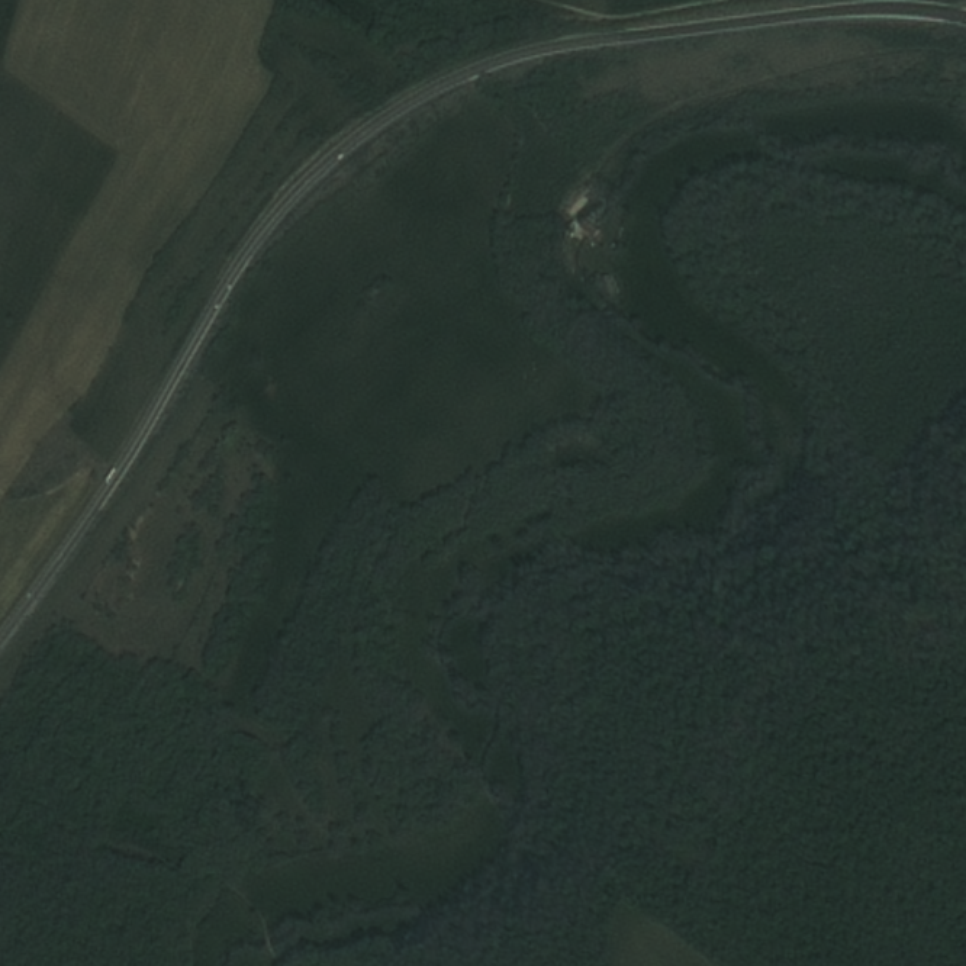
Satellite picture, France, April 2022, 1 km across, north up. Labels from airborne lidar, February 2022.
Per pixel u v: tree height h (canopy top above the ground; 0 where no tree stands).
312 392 0
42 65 0
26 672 6
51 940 19
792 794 15
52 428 0
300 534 0
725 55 0
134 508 0
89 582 0
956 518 23
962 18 0
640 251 0
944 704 15
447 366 0
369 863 0
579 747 19
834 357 8
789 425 0
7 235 0
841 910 15
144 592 0
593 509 25
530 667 20
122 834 7
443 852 0
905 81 14
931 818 15
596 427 19
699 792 17
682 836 19
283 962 9
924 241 8
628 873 17
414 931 10
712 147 0
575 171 6
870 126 0
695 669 22
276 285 0
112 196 0
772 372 0
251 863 17
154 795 14
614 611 23
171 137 0
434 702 0
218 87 0
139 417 0
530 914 28
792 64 0
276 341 0
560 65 13
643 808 20
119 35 0
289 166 0
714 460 11
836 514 20
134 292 0
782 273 7
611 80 0
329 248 0
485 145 0
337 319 0
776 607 15
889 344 6
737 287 19
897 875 15
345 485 0
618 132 10
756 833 13
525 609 21
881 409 6
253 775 18
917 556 24
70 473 0
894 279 8
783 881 12
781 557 18
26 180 0
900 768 12
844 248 9
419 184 0
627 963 0
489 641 24
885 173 0
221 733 22
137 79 0
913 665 15
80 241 0
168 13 0
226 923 0
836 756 12
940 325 6
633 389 17
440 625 16
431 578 0
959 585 23
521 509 24
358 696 0
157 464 0
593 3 0
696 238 17
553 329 22
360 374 0
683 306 0
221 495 11
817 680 18
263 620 0
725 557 24
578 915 22
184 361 0
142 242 0
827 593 27
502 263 16
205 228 0
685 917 14
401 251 0
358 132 0
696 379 0
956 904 14
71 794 17
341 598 15
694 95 0
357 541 17
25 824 14
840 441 25
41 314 0
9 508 0
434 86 0
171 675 17
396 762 18
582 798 18
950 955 16
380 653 22
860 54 0
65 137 0
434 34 11
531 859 10
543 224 24
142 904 19
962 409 22
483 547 0
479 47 10
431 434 0
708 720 21
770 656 22
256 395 0
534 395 0
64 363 0
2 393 0
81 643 15
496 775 0
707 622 15
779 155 18
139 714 14
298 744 15
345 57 0
